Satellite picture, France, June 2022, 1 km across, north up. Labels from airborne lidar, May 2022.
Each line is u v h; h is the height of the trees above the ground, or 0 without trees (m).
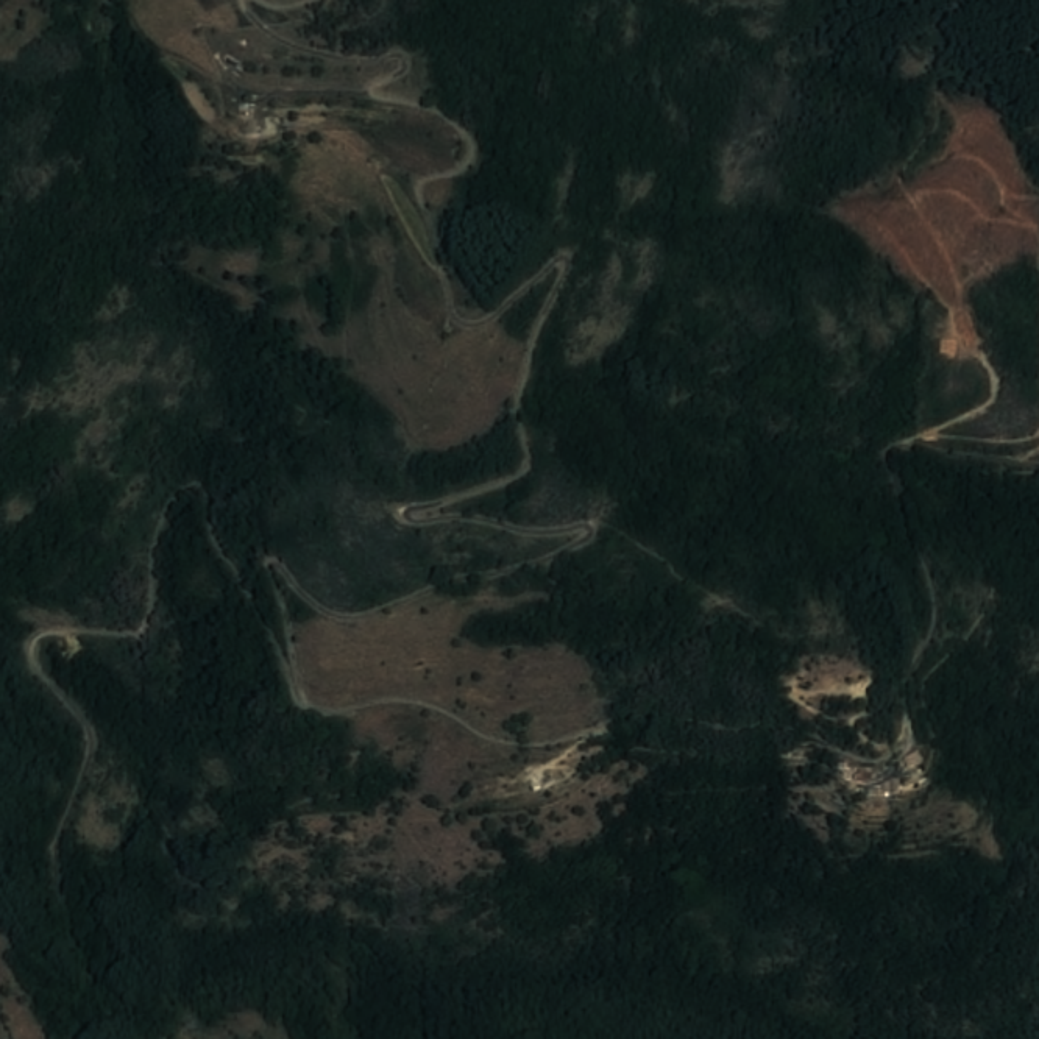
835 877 18
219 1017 9
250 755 18
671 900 23
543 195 9
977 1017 11
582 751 7
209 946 19
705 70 7
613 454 13
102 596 12
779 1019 15
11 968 10
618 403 9
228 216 18
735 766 15
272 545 6
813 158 20
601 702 0
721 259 8
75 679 15
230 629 18
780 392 16
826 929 11
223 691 16
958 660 8
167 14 0
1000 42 27
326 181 0
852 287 7
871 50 26
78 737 11
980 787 10
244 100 7
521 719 9
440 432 0
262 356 14
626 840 10
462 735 0
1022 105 27
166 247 12
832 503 18
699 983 27
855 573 13
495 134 8
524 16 14
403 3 10
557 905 14
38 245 15
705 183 9
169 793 6
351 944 7
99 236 16
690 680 14
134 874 18
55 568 10
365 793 16
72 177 10
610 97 11
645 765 8
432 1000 32
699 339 11
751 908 17
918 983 14
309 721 10
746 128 0
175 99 14
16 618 13
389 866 7
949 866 7
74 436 6
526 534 0
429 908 7
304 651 0
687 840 13
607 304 0
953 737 11
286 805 13
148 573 10
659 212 15
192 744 10
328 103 8
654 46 15
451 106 9
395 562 0
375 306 0
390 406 0
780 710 19
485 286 27
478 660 0
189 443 17
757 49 14
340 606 0
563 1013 18
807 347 11
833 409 13
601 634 9
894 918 12
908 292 10
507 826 8
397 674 0
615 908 16
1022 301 0
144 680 8
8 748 27
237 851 22
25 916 29
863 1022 17
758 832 21
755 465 11
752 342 11
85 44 9
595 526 0
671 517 6
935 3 29
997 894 15
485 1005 18
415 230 0
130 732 15
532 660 0
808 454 18
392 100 0
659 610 9
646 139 13
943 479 8
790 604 6
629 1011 14
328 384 6
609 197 13
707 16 11
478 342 0
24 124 8
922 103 27
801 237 12
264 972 12
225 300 20
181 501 18
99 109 12
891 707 12
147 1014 18
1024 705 17
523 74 16
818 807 9
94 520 15
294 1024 9
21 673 24
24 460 19
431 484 11
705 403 9
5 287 15
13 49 0
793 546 10
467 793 11
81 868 12
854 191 21
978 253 0
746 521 11
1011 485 22
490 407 0
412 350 0
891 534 12
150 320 9
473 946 8
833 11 6
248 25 0
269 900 13
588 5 10
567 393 12
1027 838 13
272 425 13
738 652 11
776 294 7
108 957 14
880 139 34
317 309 0
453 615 0
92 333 6
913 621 21
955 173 0
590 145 12
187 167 14
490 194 11
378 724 0
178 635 14
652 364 18
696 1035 11
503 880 14
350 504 0
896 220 0
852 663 0
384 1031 22
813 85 14
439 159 0
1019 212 0
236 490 11
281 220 15
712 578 12
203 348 12
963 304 0
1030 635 10
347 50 11
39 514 11
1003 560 10
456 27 11
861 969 13
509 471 12
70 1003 14
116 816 7
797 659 11
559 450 8
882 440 14
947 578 7
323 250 0
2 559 20
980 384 0
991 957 10
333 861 10
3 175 10
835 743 11
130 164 11
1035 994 8
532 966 18
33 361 12
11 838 20
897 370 14
